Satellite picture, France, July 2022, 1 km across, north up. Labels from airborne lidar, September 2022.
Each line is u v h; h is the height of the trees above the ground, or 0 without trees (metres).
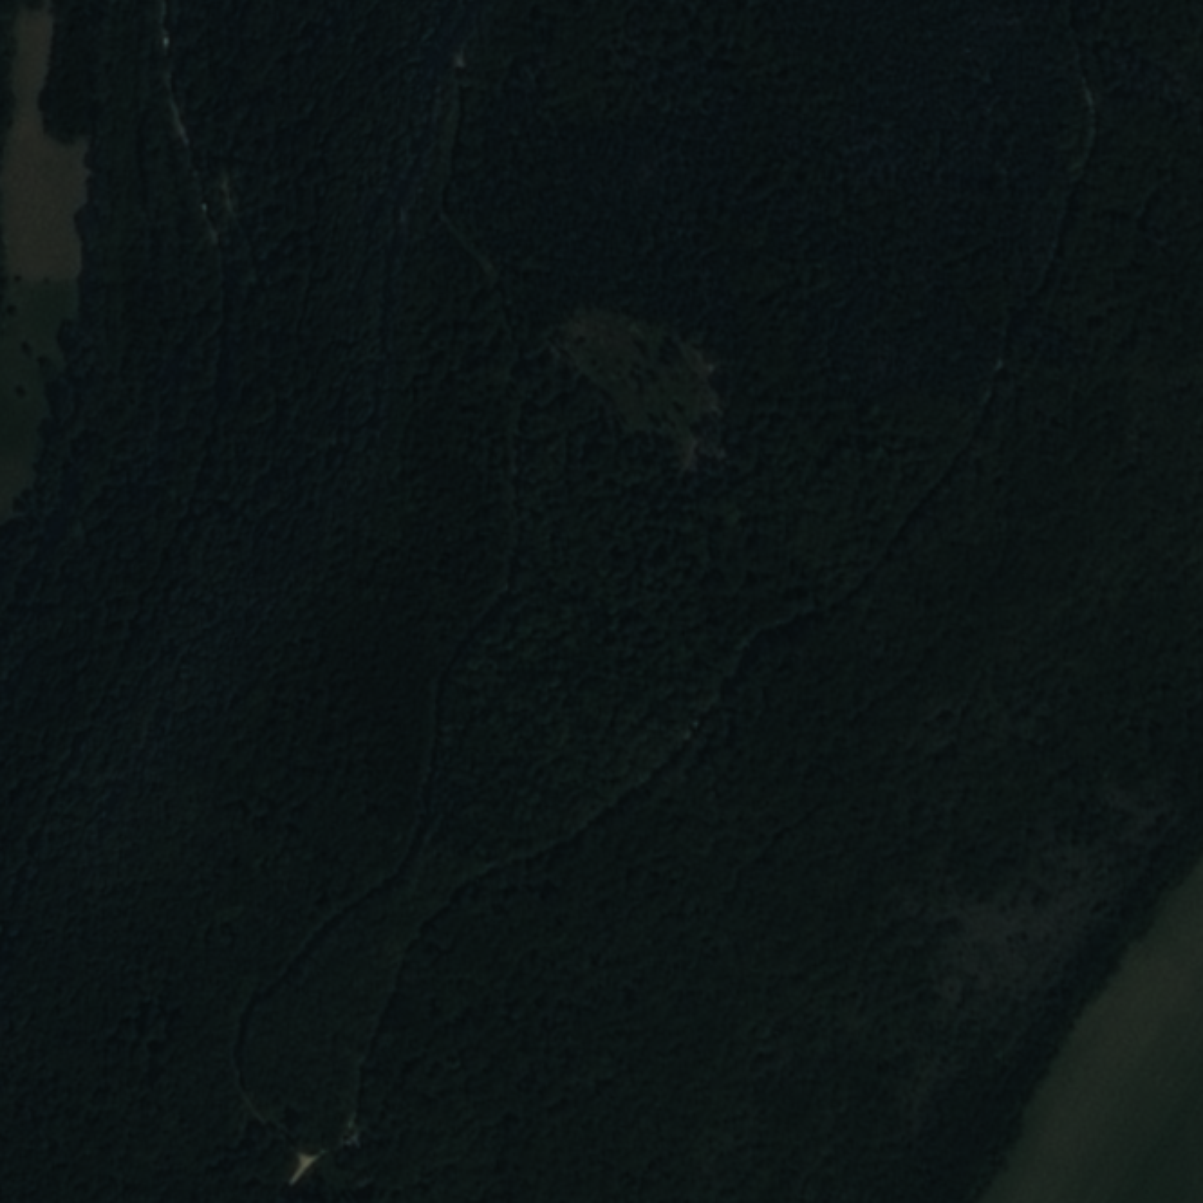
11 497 0
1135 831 6
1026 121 20
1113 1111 0
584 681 16
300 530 27
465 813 14
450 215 19
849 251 22
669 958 15
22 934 24
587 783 13
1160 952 0
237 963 18
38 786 26
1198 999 0
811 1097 13
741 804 18
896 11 21
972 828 12
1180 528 16
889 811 12
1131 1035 0
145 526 40
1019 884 7
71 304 0
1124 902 8
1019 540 22
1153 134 21
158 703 13
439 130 13
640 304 18
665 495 14
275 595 22
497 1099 20
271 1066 12
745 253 18
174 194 10
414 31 21
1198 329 22
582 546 23
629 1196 18
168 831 14
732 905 17
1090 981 16
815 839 13
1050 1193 0
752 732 22
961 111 17
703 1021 13
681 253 19
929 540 21
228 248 16
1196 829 13
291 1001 17
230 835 16
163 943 16
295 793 24
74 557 35
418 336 11
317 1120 17
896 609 19
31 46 0
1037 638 14
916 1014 7
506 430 13
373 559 16
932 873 13
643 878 21
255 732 15
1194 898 0
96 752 20
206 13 14
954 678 15
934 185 24
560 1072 18
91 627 32
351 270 24
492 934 19
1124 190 22
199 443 26
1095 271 22
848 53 13
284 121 26
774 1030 7
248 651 21
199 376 28
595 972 17
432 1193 18
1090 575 15
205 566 24
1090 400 22
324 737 24
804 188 22
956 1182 18
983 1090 8
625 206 18
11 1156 22
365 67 32
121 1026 23
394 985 10
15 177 0
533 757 15
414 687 13
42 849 18
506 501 10
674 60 26
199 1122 16
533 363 18
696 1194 10
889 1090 8
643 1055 16
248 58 28
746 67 20
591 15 22
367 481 16
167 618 22
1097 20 25
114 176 21
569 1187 17
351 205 23
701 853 13
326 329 26
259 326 26
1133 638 18
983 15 20
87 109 6
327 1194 17
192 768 18
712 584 17
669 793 16
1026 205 22
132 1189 21
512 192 19
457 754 15
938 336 22
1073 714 16
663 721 14
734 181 25
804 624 26
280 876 17
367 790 19
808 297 17
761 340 20
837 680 20
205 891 15
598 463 23
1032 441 20
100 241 26
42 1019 19
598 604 8
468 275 19
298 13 28
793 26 13
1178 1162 0
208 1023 17
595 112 16
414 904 12
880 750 14
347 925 13
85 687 28
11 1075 17
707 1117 12
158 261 19
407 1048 23
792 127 18
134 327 7
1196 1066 0
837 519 19
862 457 22
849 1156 11
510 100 22
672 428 26
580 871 18
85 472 28
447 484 12
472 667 14
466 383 19
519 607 14
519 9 21
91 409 26
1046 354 21
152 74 16
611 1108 20
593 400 19
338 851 20
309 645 21
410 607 15
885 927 6
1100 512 14
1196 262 24
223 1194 14
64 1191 21
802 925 16
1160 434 18
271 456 23
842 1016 12
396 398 17
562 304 18
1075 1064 0
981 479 18
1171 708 15
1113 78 24
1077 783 17
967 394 18
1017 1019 10
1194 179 18
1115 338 13
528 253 14
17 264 0
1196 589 18
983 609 18
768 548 23
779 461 17
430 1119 17
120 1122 17
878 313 17
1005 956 7
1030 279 19
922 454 16
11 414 0
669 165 18
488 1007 20
